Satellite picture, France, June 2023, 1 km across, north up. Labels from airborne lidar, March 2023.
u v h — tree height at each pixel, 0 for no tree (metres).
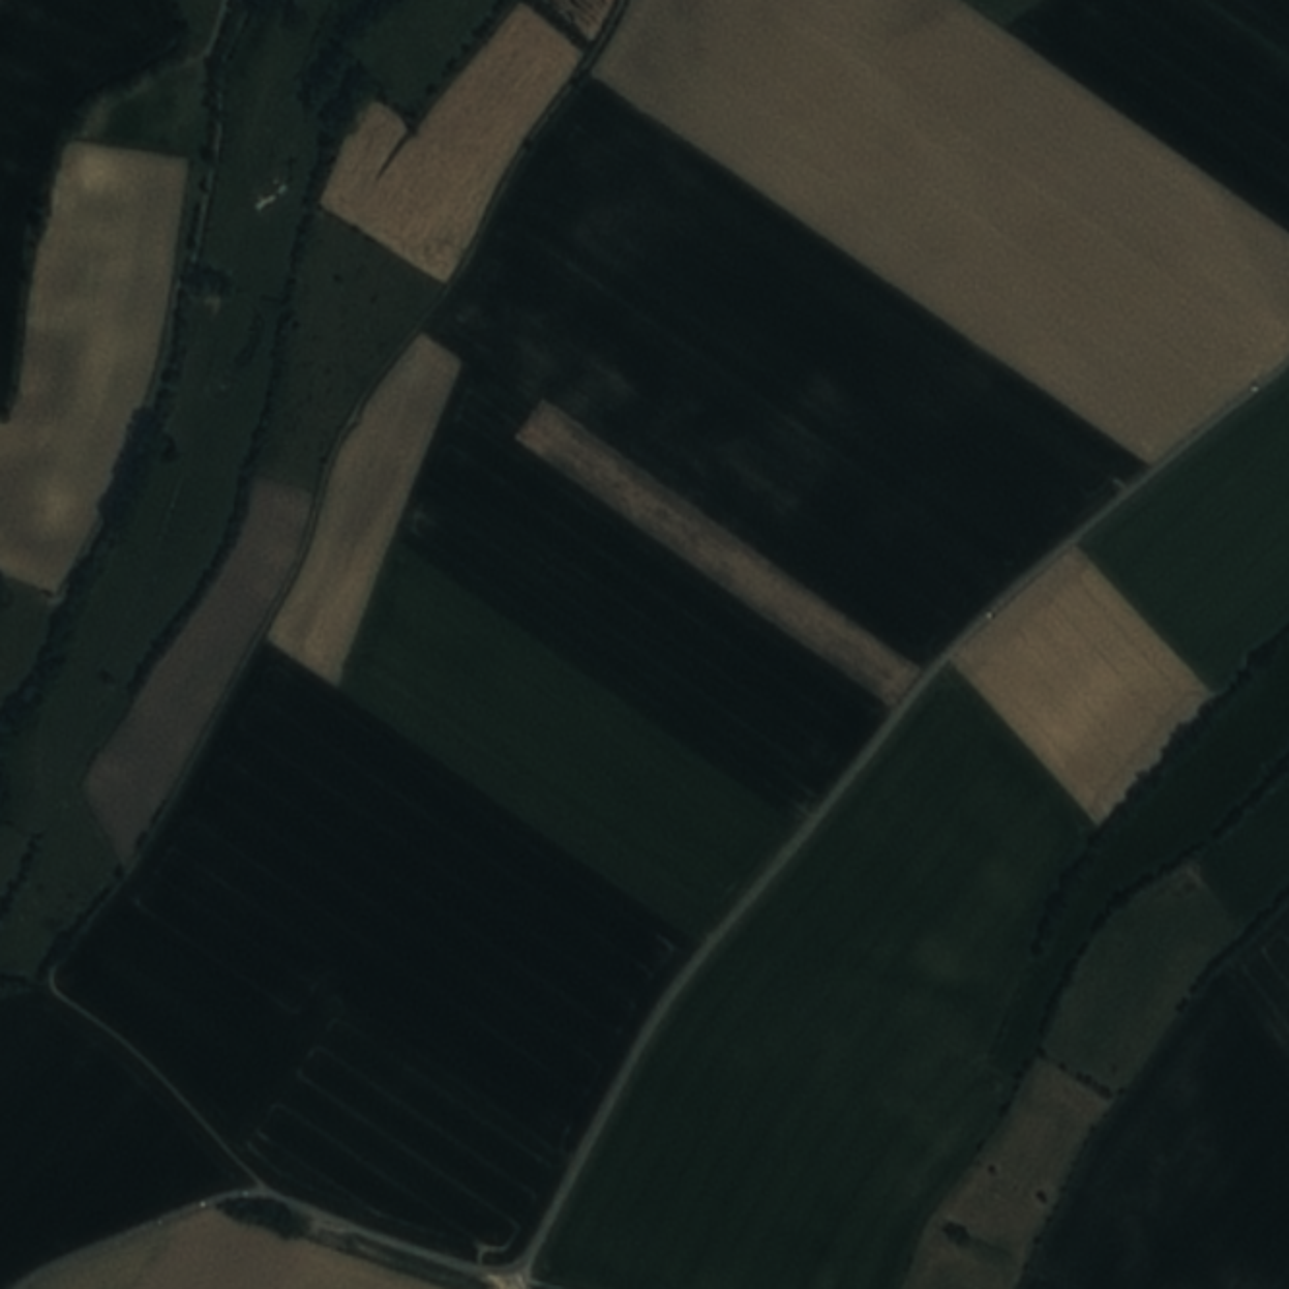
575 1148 0
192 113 0
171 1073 0
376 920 0
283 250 0
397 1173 0
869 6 0
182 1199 0
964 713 0
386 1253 0
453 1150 0
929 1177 0
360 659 0
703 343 0
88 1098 0
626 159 0
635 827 0
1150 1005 0
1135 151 0
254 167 0
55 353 0
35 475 0
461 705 0
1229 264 0
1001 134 0
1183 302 0
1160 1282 0
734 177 0
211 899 0
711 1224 0
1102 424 0
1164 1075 0
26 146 0
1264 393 0
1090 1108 0
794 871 0
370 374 0
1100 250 0
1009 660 0
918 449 0
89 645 0
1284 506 0
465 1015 0
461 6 0
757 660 0
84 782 0
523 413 0
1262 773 0
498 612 0
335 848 0
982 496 0
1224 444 0
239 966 0
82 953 0
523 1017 0
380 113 0
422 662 0
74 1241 0
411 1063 0
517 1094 0
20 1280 0
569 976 0
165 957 0
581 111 0
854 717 0
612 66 0
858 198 0
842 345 0
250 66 0
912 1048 0
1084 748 0
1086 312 0
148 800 0
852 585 0
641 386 0
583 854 0
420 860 0
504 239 0
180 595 0
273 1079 0
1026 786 0
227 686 0
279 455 0
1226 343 0
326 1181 0
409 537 0
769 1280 0
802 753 0
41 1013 0
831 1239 0
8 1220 0
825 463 0
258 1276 0
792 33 0
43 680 21
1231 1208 0
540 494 0
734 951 0
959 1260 0
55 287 0
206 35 0
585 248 0
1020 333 0
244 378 0
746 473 0
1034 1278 0
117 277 0
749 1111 0
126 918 0
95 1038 0
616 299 0
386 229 0
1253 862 0
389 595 0
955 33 0
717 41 0
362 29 14
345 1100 0
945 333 0
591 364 0
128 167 0
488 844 0
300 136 0
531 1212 0
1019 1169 0
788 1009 0
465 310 0
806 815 0
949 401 0
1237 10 0
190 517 0
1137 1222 0
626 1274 0
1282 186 0
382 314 0
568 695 0
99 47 0
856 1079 0
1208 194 0
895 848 0
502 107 0
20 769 0
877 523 0
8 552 0
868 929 0
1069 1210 0
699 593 0
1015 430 0
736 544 0
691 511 0
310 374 0
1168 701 0
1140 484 0
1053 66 0
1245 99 0
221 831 0
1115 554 0
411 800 0
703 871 0
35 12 0
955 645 0
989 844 0
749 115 0
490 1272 0
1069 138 0
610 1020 0
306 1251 0
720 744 0
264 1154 0
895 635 0
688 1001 0
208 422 0
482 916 0
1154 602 0
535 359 0
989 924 0
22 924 0
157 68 11
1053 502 0
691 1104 0
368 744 0
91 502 0
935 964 0
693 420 0
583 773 0
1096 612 0
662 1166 0
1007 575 0
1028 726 0
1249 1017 0
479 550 0
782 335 0
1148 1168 0
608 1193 0
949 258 0
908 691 0
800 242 0
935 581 0
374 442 0
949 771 0
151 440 29
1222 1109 0
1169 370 0
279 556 0
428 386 0
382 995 0
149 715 0
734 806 0
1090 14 0
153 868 0
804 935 0
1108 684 0
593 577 0
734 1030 0
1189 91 0
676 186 0
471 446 0
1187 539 0
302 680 0
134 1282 0
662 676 0
